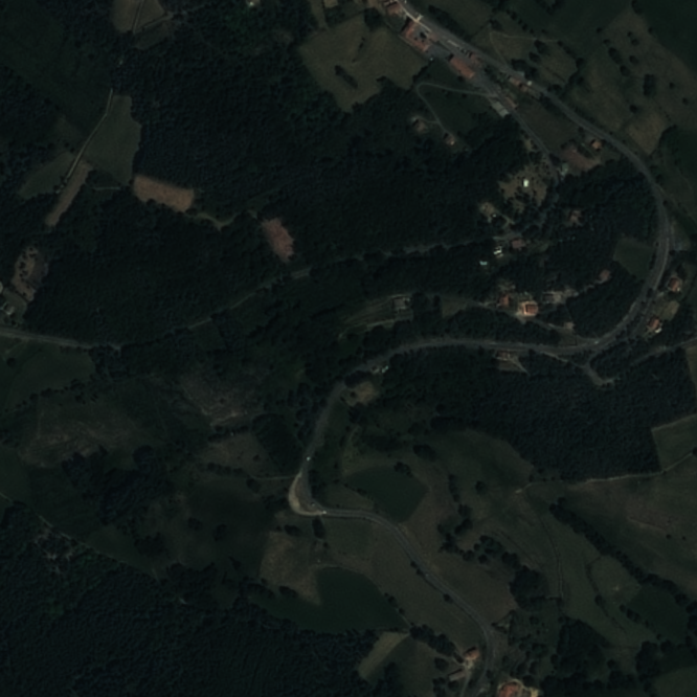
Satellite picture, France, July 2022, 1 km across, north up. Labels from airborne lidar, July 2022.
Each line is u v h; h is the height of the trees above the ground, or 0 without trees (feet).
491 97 0
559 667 52
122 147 0
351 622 0
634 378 41
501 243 20
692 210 0
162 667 71
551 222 49
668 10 0
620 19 0
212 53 21
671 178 0
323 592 0
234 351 81
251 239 37
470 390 27
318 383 40
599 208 52
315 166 58
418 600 0
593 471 40
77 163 0
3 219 44
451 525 0
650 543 0
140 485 86
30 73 0
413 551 0
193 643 39
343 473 0
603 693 44
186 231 52
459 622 0
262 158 42
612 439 32
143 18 0
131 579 61
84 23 49
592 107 0
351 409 0
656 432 0
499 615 0
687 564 0
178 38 31
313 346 60
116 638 75
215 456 0
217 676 41
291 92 64
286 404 26
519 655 0
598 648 58
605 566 0
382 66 0
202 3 25
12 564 66
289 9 46
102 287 49
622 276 47
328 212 48
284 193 37
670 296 29
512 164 54
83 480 70
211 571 46
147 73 33
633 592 0
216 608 58
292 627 59
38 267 0
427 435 42
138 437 0
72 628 80
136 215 58
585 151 40
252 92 50
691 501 0
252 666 46
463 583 0
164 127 33
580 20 0
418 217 40
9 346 0
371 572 0
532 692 0
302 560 0
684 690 0
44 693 77
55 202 39
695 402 52
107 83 0
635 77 0
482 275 18
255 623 59
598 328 41
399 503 0
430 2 0
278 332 56
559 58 0
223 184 47
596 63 0
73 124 0
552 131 0
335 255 58
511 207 41
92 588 46
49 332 45
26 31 0
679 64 0
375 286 68
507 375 52
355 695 24
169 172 47
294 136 35
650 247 0
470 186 52
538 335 46
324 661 41
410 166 59
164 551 21
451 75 0
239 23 37
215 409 0
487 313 50
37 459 0
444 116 0
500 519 0
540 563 0
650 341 30
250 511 0
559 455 53
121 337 39
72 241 22
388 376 48
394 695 55
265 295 66
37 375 0
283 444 55
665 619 0
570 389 38
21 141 22
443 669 42
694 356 0
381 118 24
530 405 47
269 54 21
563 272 29
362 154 56
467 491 0
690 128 0
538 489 0
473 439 0
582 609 0
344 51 0
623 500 0
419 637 76
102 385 29
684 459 0
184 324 61
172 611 83
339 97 0
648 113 0
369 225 52
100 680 76
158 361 64
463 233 45
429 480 0
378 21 43
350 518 0
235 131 50
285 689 38
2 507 0
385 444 19
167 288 64
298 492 0
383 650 0
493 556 49
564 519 77
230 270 75
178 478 0
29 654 76
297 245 55
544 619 0
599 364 21
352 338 41
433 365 41
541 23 0
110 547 0
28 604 56
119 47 30
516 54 0
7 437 34
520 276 62
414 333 52
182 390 0
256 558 0
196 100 36
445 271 50
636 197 76
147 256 59
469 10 0
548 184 20
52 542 47
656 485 0
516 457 0
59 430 0
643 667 51
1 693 63
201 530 53
